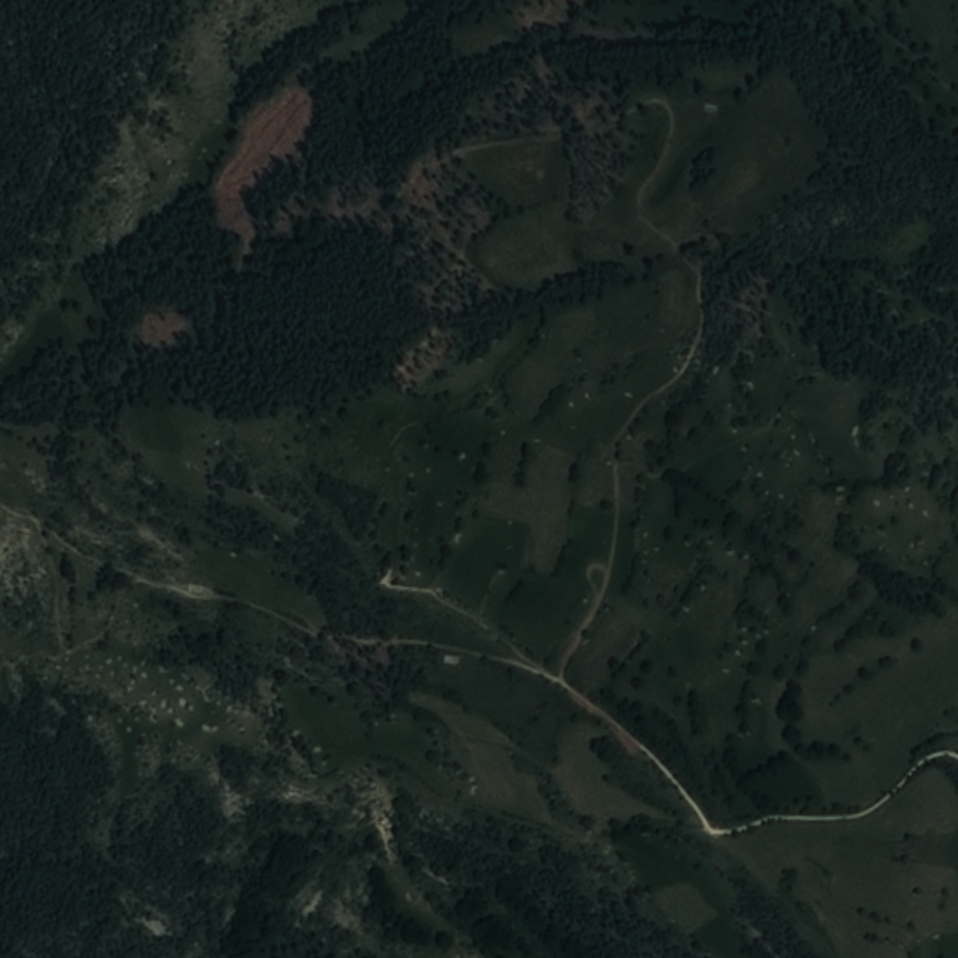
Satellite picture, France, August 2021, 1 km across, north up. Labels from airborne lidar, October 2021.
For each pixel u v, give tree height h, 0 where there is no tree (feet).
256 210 85
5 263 24
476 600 0
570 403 0
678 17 0
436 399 28
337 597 20
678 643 0
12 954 30
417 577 0
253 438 0
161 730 0
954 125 0
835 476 21
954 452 18
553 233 0
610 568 0
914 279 43
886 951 0
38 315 0
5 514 0
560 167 0
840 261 22
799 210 41
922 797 0
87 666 0
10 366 0
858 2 27
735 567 0
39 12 25
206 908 38
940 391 33
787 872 23
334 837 38
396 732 0
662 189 0
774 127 0
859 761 0
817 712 0
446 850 45
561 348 0
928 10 0
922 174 43
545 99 84
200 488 0
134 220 0
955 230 22
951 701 0
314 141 65
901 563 0
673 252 0
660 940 46
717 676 0
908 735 0
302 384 35
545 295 39
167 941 28
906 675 0
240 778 24
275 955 55
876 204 29
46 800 52
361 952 37
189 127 0
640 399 0
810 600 0
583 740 0
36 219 31
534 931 24
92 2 23
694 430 31
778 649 0
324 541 24
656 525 0
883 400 37
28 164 48
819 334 76
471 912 62
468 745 0
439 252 53
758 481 24
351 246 79
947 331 34
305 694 0
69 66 32
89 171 43
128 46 24
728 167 0
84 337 0
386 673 53
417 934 58
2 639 0
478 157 0
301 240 50
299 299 82
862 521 0
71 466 25
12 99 29
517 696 0
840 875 0
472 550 0
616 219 0
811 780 0
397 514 0
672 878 0
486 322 30
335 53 0
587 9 22
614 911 55
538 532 0
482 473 31
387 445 0
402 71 62
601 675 0
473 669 0
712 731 0
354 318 80
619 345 0
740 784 30
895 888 0
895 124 51
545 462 0
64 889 21
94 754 22
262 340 79
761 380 0
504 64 64
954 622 0
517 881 37
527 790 0
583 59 96
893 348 83
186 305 79
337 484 45
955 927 0
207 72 0
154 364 78
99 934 39
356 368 52
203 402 30
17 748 24
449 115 62
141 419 0
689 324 0
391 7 0
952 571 0
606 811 0
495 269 0
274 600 0
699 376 21
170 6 54
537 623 0
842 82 40
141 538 0
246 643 21
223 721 0
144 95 26
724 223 0
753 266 43
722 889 0
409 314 80
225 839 18
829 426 0
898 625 0
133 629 0
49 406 24
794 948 20
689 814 0
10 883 39
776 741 0
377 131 100
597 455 0
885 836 0
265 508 0
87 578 0
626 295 0
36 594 24
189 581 0
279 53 47
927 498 0
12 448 0
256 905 36
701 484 20
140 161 0
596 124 0
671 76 55
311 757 26
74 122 22
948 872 0
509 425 0
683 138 0
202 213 31
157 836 27
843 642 25
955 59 0
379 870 43
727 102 0
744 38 36
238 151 0
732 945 0
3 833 36
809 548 0
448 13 55
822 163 29
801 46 49
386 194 80
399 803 40
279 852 74
